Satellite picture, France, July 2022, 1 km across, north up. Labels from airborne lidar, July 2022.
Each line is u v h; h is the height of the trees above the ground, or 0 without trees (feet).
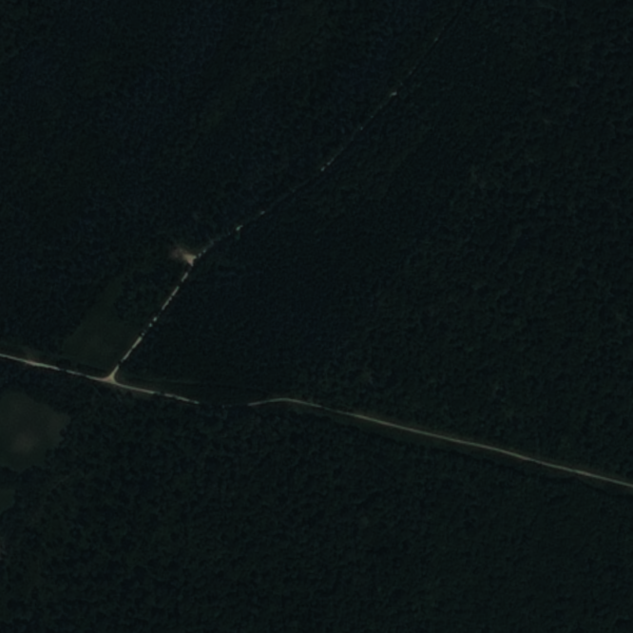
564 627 61
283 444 76
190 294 28
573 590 57
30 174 31
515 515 54
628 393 49
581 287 66
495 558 57
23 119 56
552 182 60
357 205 43
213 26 62
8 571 69
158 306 22
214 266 53
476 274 54
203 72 54
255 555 80
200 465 61
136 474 79
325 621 71
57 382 50
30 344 34
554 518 55
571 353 62
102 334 0
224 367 35
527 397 63
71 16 58
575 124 69
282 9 67
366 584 68
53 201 37
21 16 25
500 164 62
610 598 58
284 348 78
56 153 61
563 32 62
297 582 59
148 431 75
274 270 39
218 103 47
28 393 63
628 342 61
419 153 30
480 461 48
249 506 63
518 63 29
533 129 68
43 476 52
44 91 62
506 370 66
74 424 21
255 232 60
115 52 43
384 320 51
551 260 49
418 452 56
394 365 59
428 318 80
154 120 93
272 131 38
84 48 64
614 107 60
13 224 27
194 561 59
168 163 35
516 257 72
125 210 30
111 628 59
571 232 59
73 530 60
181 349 36
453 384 68
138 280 62
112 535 73
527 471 42
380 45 88
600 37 64
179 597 63
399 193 35
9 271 48
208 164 37
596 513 58
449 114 25
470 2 49
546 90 82
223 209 82
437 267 50
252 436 72
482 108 24
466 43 44
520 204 76
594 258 73
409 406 59
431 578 66
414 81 54
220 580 65
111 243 36
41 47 46
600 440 64
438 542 58
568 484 55
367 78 65
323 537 69
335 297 52
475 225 65
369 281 48
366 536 59
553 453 53
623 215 70
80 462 50
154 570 25
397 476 79
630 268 72
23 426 0
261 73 38
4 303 45
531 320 70
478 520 55
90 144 40
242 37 51
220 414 79
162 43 53
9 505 0
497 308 68
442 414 61
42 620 84
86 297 29
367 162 58
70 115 63
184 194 40
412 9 63
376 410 43
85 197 36
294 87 41
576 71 66
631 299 73
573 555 67
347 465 67
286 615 58
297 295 54
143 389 0
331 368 62
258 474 59
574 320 52
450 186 27
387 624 57
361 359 61
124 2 55
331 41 37
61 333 30
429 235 60
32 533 66
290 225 44
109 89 37
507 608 56
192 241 36
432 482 62
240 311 47
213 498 56
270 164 71
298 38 51
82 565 87
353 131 48
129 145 62
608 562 50
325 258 43
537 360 56
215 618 66
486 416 64
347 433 82
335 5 51
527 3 80
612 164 62
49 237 43
